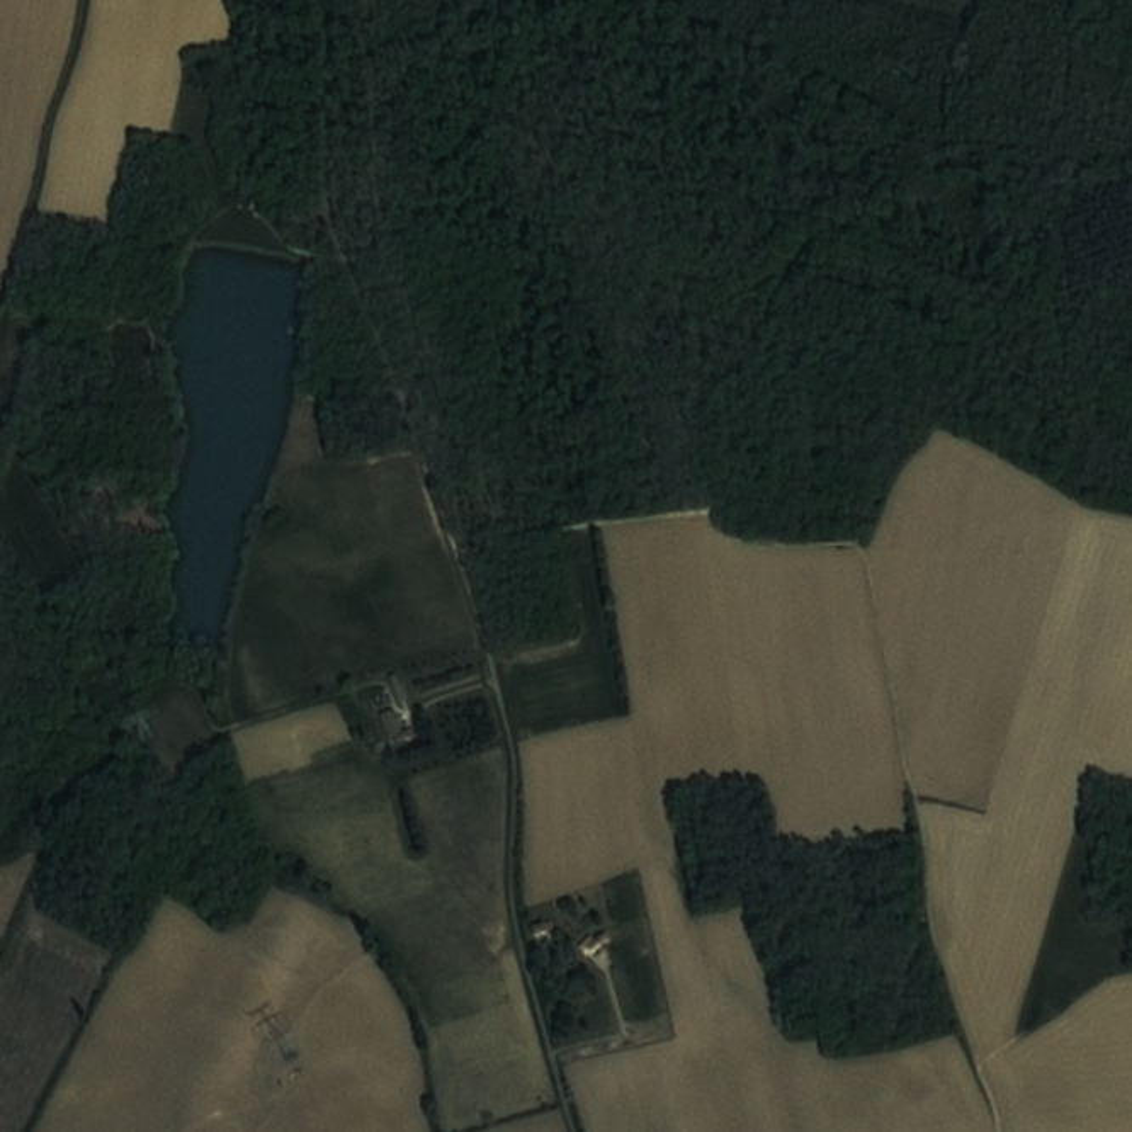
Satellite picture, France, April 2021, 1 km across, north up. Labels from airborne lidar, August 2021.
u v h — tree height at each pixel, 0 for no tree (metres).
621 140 17
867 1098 0
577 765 0
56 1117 0
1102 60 19
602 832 0
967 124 14
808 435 21
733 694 0
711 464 19
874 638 0
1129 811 21
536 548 20
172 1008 0
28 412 19
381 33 13
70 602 24
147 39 0
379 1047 0
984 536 0
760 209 21
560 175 16
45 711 26
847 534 10
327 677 0
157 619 11
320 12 18
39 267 19
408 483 0
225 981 0
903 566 0
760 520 17
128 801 24
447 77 23
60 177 0
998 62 18
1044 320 18
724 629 0
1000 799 0
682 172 18
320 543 0
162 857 17
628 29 25
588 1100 0
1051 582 0
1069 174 21
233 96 17
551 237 21
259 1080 0
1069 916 0
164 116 0
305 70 25
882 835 10
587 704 0
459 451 18
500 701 0
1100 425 17
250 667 0
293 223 14
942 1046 0
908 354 25
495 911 0
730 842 12
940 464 0
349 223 16
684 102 20
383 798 0
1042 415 19
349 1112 0
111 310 21
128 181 15
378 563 0
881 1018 21
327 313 16
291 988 0
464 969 0
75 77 0
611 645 8
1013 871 0
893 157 13
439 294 18
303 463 0
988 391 23
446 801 0
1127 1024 0
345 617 0
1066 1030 0
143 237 17
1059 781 0
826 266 11
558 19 23
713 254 20
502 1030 0
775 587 0
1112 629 0
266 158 23
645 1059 0
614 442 19
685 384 18
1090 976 0
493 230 25
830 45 10
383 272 18
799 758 0
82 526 19
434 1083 0
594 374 15
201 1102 0
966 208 10
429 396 12
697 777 0
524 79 16
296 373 15
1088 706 0
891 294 19
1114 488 17
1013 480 0
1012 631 0
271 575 0
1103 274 20
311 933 0
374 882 0
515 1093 0
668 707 0
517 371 22
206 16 0
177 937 0
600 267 14
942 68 6
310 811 0
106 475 21
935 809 0
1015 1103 0
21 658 22
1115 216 20
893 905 19
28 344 20
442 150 22
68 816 29
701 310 7
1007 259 21
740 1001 0
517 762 0
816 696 0
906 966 17
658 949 0
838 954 19
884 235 19
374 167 20
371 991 0
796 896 16
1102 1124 0
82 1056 0
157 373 21
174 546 8
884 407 24
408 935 0
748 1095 0
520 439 20
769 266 17
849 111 20
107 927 14
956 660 0
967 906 0
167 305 9
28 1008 0
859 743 0
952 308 21
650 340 17
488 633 16
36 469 20
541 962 10
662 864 0
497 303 25
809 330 21
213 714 8
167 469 14
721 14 11
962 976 0
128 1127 0
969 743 0
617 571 0
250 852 18
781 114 7
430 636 0
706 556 0
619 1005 0
